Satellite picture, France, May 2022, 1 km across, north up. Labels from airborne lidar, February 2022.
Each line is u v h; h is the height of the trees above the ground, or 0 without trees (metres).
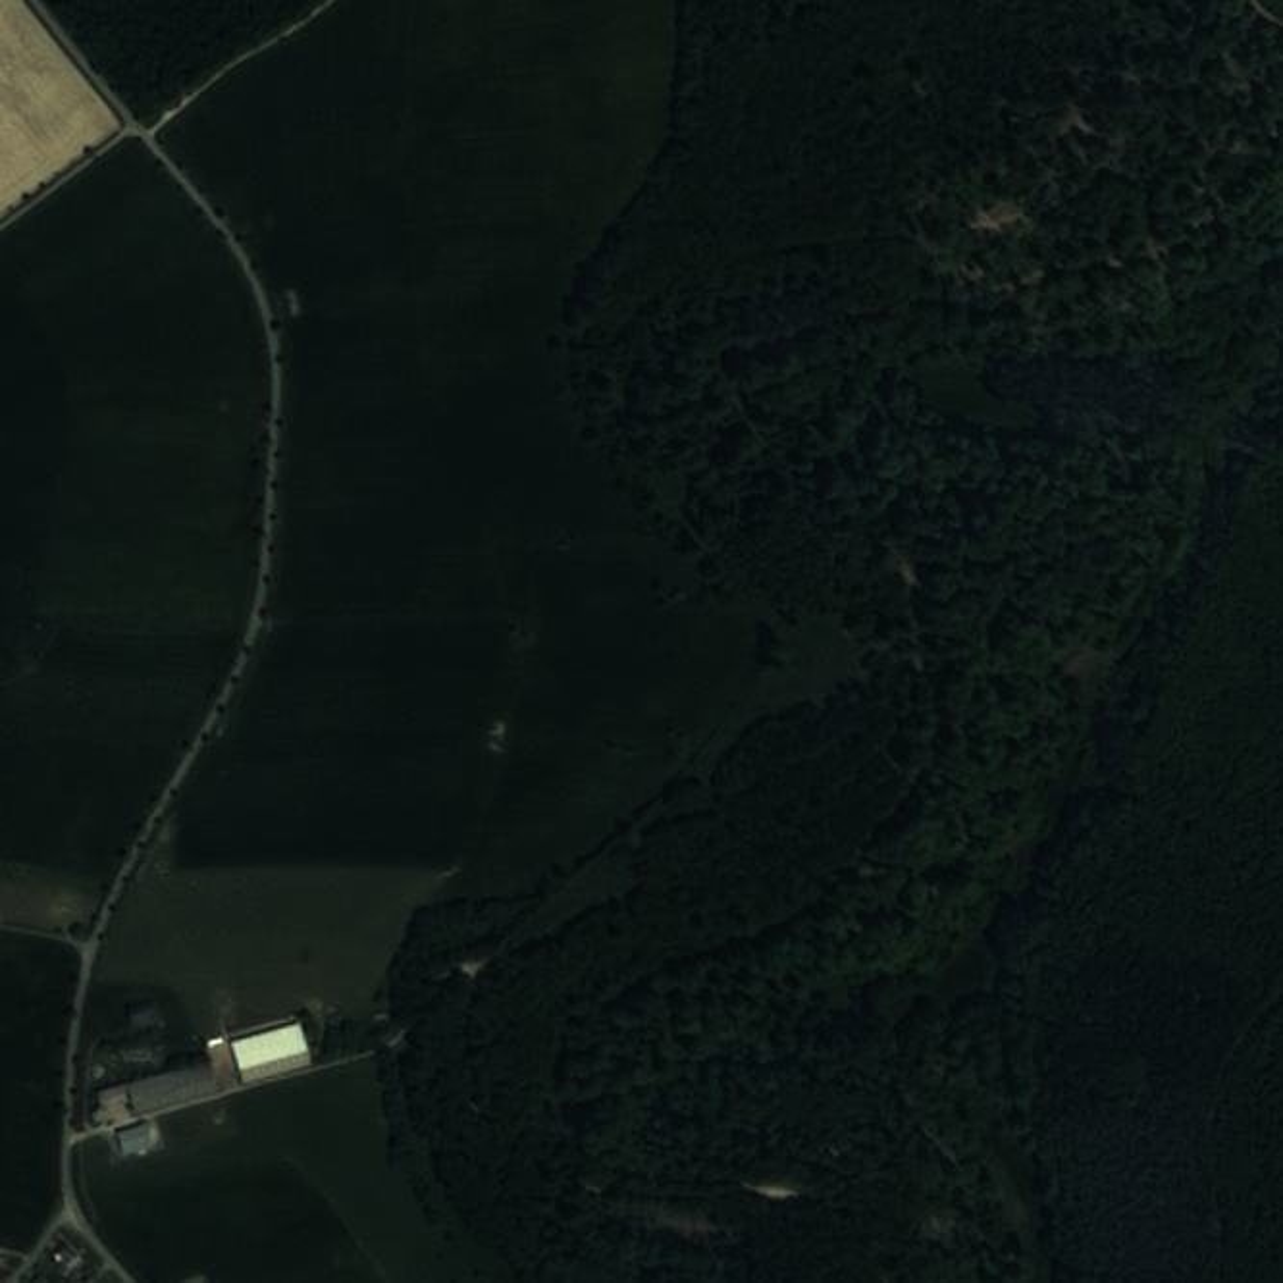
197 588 0
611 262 21
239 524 0
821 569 25
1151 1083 24
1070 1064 23
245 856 0
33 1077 0
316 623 0
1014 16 10
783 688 0
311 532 0
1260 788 22
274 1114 0
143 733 0
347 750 0
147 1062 0
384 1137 0
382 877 0
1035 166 32
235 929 0
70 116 0
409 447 0
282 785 0
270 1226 0
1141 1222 27
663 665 0
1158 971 21
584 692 0
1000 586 33
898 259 22
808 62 16
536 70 0
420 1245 0
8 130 0
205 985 0
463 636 0
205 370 0
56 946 0
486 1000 21
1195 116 34
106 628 0
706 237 22
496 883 0
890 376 22
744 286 24
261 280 0
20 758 0
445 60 0
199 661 0
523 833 0
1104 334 33
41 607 0
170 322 0
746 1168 14
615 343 19
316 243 0
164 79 19
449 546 0
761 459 12
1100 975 22
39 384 0
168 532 0
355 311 0
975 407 0
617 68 0
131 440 0
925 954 28
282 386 0
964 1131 7
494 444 0
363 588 0
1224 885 20
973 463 38
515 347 0
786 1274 18
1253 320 25
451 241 0
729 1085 14
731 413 13
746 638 0
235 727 0
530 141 0
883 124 13
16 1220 0
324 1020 0
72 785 0
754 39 22
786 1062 25
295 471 0
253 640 0
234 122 0
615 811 0
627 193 0
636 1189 9
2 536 0
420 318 0
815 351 32
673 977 42
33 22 0
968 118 14
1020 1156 0
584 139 0
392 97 0
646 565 0
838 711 16
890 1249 16
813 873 12
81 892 0
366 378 0
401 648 0
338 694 0
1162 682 22
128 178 0
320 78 0
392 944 0
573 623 0
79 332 0
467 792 0
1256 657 17
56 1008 0
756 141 13
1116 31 9
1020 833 32
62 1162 0
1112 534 36
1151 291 34
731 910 22
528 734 0
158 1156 0
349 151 0
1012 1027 26
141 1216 0
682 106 16
